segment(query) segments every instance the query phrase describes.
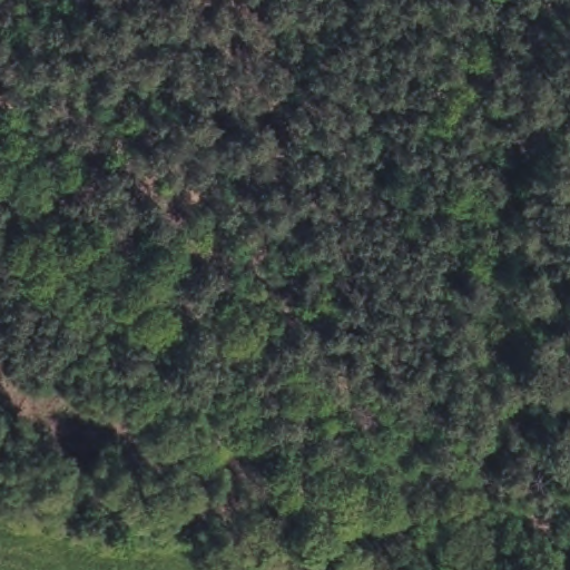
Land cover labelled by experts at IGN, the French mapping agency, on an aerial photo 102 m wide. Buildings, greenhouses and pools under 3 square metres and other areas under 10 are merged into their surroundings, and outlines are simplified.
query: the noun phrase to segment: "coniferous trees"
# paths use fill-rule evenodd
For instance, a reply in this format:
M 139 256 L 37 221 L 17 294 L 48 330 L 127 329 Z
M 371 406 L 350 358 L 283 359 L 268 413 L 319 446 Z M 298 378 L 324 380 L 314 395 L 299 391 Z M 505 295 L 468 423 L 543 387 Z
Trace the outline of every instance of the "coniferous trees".
M 136 367 L 156 367 L 160 381 L 167 383 L 167 390 L 178 396 L 180 412 L 171 412 L 169 407 L 165 407 L 154 423 L 145 425 L 138 432 L 129 432 L 129 423 L 145 403 L 143 396 L 136 399 L 122 394 L 116 399 L 89 403 L 80 394 L 73 394 L 67 401 L 56 394 L 56 385 L 51 381 L 42 379 L 40 383 L 40 379 L 20 376 L 13 370 L 13 358 L 24 358 L 27 363 L 31 363 L 38 356 L 40 347 L 53 352 L 65 350 L 69 327 L 56 312 L 38 307 L 29 298 L 16 298 L 9 303 L 0 296 L 0 517 L 7 521 L 9 532 L 18 537 L 36 537 L 42 532 L 53 534 L 56 541 L 60 541 L 69 532 L 76 537 L 71 541 L 71 548 L 91 552 L 98 559 L 102 557 L 122 561 L 125 557 L 129 557 L 138 561 L 140 554 L 167 559 L 187 552 L 194 570 L 570 570 L 570 0 L 0 0 L 0 118 L 7 111 L 16 111 L 29 118 L 24 140 L 38 149 L 38 156 L 33 158 L 36 165 L 49 167 L 56 194 L 51 209 L 36 218 L 22 216 L 22 205 L 16 198 L 7 196 L 0 200 L 0 287 L 13 287 L 13 249 L 33 236 L 45 238 L 47 229 L 53 225 L 60 227 L 62 247 L 71 256 L 85 249 L 96 249 L 98 240 L 109 227 L 118 238 L 114 243 L 114 249 L 125 258 L 125 267 L 136 274 L 149 272 L 160 261 L 171 261 L 171 254 L 180 245 L 185 245 L 185 249 L 191 254 L 189 272 L 178 283 L 174 294 L 174 314 L 158 314 L 154 321 L 149 321 L 149 325 L 129 336 L 114 332 L 107 338 L 109 365 L 116 374 L 127 374 Z M 479 185 L 479 191 L 490 200 L 492 209 L 497 212 L 497 220 L 492 225 L 479 225 L 476 220 L 456 218 L 450 214 L 452 203 L 463 198 L 463 187 L 470 180 Z M 234 419 L 243 410 L 247 410 L 252 394 L 261 401 L 263 419 L 261 425 L 252 428 L 252 436 L 267 439 L 267 452 L 263 452 L 261 456 L 234 456 L 214 472 L 203 474 L 185 465 L 183 459 L 171 463 L 149 463 L 140 452 L 145 445 L 158 443 L 165 432 L 180 432 L 198 416 L 207 419 L 212 428 L 218 428 L 223 421 Z M 405 428 L 412 430 L 412 441 L 405 454 L 396 463 L 376 470 L 374 474 L 367 474 L 365 452 L 356 448 L 354 439 L 379 432 L 396 432 Z

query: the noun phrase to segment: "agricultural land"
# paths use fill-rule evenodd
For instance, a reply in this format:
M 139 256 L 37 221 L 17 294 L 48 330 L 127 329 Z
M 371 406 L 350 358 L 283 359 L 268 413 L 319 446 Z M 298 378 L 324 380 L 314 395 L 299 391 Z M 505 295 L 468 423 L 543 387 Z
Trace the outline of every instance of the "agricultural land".
M 138 561 L 129 557 L 125 557 L 122 561 L 102 557 L 98 559 L 91 552 L 71 548 L 71 541 L 76 537 L 69 532 L 60 541 L 56 541 L 53 534 L 42 532 L 36 537 L 18 537 L 9 532 L 7 521 L 0 517 L 0 570 L 194 570 L 187 552 L 167 559 L 140 554 Z

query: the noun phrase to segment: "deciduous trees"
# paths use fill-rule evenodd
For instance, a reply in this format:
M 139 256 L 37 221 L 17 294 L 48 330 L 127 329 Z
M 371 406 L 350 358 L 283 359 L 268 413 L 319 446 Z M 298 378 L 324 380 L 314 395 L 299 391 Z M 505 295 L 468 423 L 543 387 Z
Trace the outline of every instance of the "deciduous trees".
M 379 432 L 354 439 L 356 448 L 365 452 L 367 474 L 374 474 L 376 470 L 396 463 L 405 454 L 412 441 L 412 430 L 405 428 L 396 432 Z
M 7 196 L 16 198 L 22 205 L 22 216 L 36 218 L 51 209 L 56 194 L 49 167 L 36 165 L 33 158 L 38 156 L 38 149 L 24 140 L 29 118 L 16 111 L 7 111 L 0 118 L 0 200 Z
M 234 419 L 223 421 L 218 428 L 212 428 L 207 419 L 198 416 L 180 432 L 165 432 L 158 443 L 145 445 L 140 452 L 149 463 L 171 463 L 183 459 L 185 465 L 203 474 L 214 472 L 234 456 L 261 456 L 263 452 L 267 452 L 267 439 L 252 436 L 252 428 L 261 425 L 263 419 L 261 401 L 252 394 L 247 410 L 243 410 Z
M 73 394 L 80 394 L 89 403 L 116 399 L 122 394 L 136 399 L 143 396 L 145 403 L 129 423 L 129 432 L 138 432 L 145 425 L 154 423 L 165 407 L 169 407 L 171 412 L 180 412 L 178 396 L 167 390 L 167 383 L 160 381 L 156 367 L 136 367 L 127 374 L 116 374 L 109 365 L 107 338 L 114 332 L 129 336 L 149 325 L 149 321 L 154 321 L 158 314 L 174 314 L 174 294 L 178 283 L 189 272 L 191 254 L 185 249 L 185 245 L 180 245 L 171 254 L 171 261 L 160 261 L 149 272 L 136 274 L 125 267 L 125 258 L 114 249 L 114 243 L 118 238 L 109 227 L 98 240 L 96 249 L 85 249 L 71 256 L 62 247 L 60 227 L 53 225 L 47 229 L 45 238 L 33 236 L 13 249 L 13 287 L 0 287 L 0 296 L 9 303 L 16 298 L 29 298 L 38 307 L 56 312 L 69 327 L 65 350 L 53 352 L 40 347 L 38 356 L 31 363 L 27 363 L 24 358 L 13 358 L 13 370 L 20 376 L 40 379 L 40 383 L 42 379 L 51 381 L 56 385 L 56 394 L 67 401 Z
M 479 185 L 470 180 L 463 187 L 463 198 L 452 203 L 450 214 L 456 218 L 476 220 L 479 225 L 492 225 L 497 220 L 497 212 L 492 209 L 490 200 L 479 191 Z

